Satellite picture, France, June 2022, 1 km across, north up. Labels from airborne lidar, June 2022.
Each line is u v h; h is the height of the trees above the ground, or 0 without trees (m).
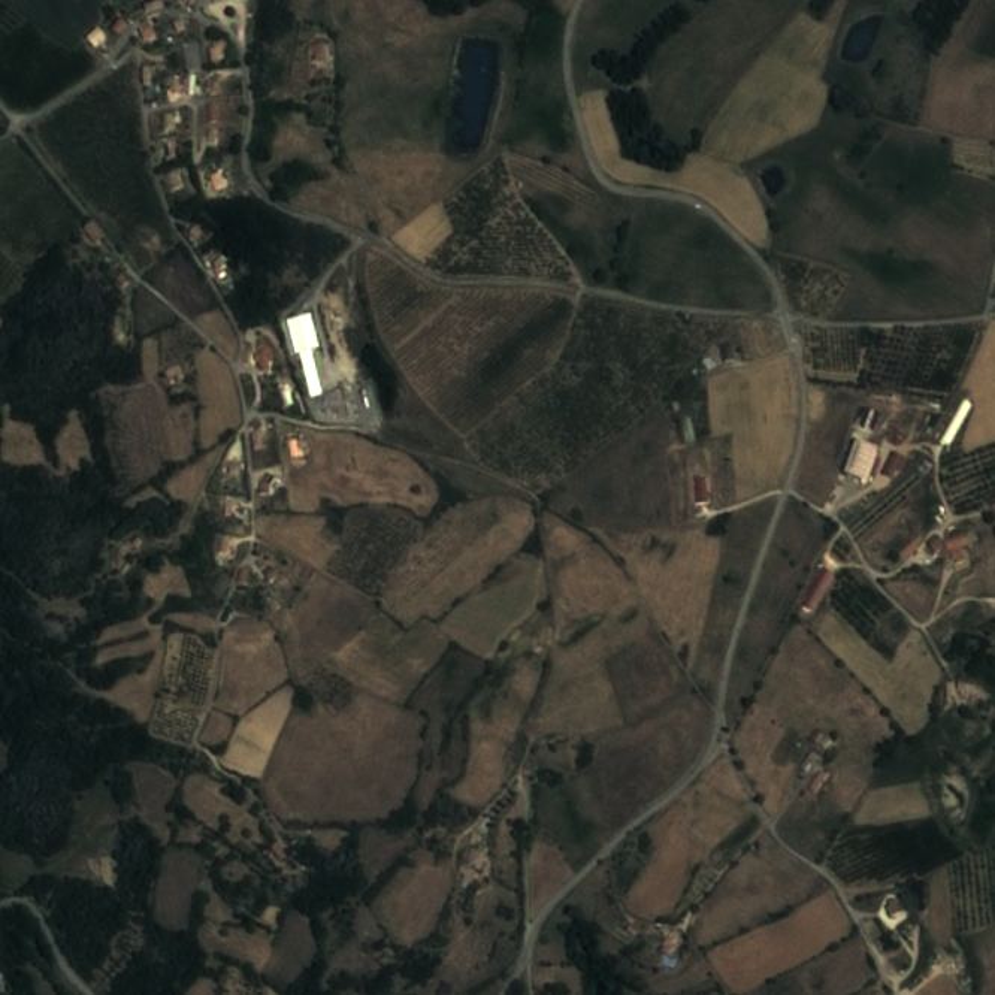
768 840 0
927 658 0
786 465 0
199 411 7
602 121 0
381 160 0
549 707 0
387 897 0
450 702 0
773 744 0
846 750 0
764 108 0
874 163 0
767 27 0
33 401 13
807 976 0
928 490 0
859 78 0
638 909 0
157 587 0
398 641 0
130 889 10
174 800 7
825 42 0
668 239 0
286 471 0
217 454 0
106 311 9
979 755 0
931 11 7
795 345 0
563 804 0
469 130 0
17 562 8
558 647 0
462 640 0
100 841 0
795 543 0
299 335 0
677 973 0
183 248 7
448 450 0
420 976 12
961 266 0
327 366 0
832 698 0
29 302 11
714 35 0
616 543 0
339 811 0
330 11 0
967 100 0
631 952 8
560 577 0
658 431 0
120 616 10
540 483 0
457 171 0
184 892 0
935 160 0
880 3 0
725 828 0
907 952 0
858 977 0
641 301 0
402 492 0
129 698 0
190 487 0
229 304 7
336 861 11
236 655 0
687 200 0
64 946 9
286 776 0
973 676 10
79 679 9
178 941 9
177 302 0
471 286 0
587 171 0
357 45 0
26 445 0
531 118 0
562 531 0
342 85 9
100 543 7
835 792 0
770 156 0
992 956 0
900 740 9
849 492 0
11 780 16
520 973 0
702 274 0
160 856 8
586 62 0
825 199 0
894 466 0
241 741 0
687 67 0
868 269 0
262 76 7
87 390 9
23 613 15
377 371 13
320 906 14
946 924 0
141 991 11
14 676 19
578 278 0
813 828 0
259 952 0
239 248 18
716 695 0
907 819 0
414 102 0
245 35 0
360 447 0
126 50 0
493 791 0
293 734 0
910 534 0
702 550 0
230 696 0
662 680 0
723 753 0
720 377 0
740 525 0
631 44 0
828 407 0
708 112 0
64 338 14
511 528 0
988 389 0
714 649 0
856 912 0
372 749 0
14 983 17
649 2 0
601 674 0
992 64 0
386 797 0
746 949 0
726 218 0
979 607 0
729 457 0
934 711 9
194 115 0
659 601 0
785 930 0
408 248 0
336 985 8
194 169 13
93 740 9
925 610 0
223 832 10
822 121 0
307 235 8
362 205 0
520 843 6
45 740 13
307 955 0
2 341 15
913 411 0
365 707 0
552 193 0
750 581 0
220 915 0
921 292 0
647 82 0
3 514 8
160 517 13
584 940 23
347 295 0
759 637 0
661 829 0
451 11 6
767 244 0
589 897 0
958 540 0
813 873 0
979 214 0
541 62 0
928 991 0
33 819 12
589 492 0
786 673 0
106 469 10
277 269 10
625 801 0
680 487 0
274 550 0
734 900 0
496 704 0
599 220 0
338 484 0
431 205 0
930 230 0
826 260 0
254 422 0
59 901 6
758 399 0
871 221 0
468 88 0
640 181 0
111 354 9
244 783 8
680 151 7
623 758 0
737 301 0
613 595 0
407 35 0
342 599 0
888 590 0
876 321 0
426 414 0
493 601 0
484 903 0
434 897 0
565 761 0
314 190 0
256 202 11
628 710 0
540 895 0
